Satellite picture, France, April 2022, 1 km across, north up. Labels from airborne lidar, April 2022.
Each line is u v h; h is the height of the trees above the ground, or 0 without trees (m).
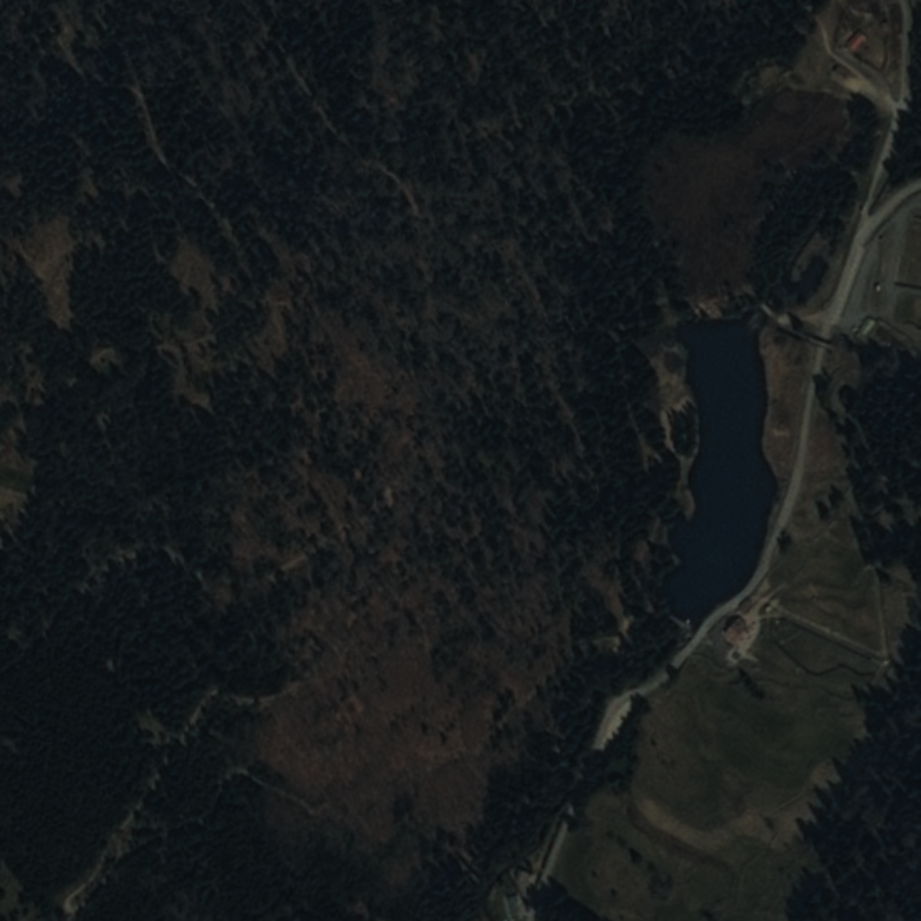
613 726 0
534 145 23
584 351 27
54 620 15
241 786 19
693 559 0
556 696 12
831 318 0
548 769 11
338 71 19
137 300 31
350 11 21
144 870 12
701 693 0
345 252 13
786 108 0
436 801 18
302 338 10
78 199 29
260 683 9
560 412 31
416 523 15
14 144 37
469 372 33
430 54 31
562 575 34
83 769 19
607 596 14
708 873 0
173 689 25
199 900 20
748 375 0
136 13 22
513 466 13
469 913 26
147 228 29
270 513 30
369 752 19
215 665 11
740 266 0
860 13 0
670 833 0
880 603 0
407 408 10
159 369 28
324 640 8
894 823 19
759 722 0
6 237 7
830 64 0
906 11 0
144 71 23
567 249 40
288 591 7
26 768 16
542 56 11
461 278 41
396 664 16
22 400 10
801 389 0
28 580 19
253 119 16
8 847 18
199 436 25
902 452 24
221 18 18
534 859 0
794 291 24
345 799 19
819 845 24
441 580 13
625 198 28
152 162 38
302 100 27
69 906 0
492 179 27
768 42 37
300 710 18
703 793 0
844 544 0
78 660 19
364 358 10
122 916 11
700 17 36
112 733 20
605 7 27
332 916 23
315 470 13
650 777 0
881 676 0
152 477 21
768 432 0
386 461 12
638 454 26
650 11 33
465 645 7
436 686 18
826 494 0
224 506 10
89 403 30
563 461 21
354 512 11
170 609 32
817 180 21
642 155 9
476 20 17
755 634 0
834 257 7
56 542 24
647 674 13
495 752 18
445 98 23
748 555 0
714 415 0
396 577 30
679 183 0
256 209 12
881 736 20
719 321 0
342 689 17
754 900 0
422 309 25
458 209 32
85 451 18
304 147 10
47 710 19
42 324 23
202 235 26
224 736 9
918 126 23
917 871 7
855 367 0
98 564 12
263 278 33
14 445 25
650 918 0
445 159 33
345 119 33
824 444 0
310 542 11
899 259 0
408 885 19
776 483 0
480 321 35
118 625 27
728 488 0
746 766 0
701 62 13
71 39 0
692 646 0
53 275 0
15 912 8
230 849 20
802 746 0
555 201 29
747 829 0
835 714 0
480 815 17
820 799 0
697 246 0
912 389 23
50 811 19
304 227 24
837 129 0
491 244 31
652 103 26
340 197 29
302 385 13
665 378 0
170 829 15
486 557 43
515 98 19
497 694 8
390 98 30
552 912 28
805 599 0
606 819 0
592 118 32
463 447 33
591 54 25
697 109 30
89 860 12
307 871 17
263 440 15
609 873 0
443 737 13
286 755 8
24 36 22
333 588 33
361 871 26
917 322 0
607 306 27
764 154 0
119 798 15
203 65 29
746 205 0
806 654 0
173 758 16
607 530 16
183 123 25
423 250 22
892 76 0
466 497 35
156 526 23
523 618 33
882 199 0
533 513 32
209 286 0
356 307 27
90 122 32
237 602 11
